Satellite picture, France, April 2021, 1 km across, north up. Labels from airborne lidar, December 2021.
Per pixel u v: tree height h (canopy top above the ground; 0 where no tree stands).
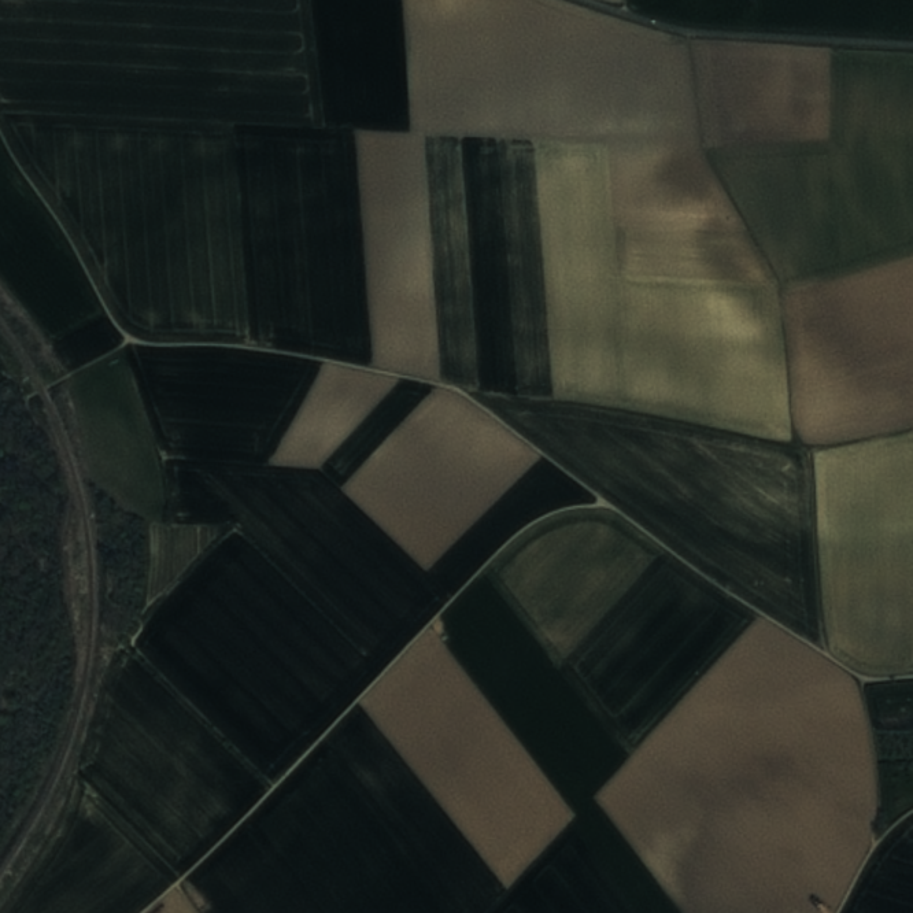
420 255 0
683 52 0
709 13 0
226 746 10
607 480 0
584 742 0
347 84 0
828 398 0
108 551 6
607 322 0
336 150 0
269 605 0
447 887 0
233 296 0
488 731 0
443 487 0
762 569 0
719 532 0
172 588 0
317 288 0
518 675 0
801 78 0
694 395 0
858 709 0
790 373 0
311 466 0
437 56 0
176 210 0
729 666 0
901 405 0
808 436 0
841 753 0
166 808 0
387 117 0
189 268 0
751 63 0
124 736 0
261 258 0
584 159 0
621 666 0
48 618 14
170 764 0
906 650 0
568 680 0
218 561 0
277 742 0
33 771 15
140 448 0
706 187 0
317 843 0
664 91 0
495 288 0
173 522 9
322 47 0
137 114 0
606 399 0
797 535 0
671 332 0
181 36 0
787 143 0
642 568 0
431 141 0
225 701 0
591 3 0
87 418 0
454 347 0
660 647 0
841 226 0
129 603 7
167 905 0
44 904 0
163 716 0
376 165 0
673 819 0
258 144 0
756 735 0
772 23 0
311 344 0
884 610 0
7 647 10
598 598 0
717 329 0
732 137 0
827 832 0
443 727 0
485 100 0
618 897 0
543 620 0
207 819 0
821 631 0
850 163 0
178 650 0
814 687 0
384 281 0
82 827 0
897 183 0
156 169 0
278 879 0
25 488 23
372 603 0
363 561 0
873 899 0
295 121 0
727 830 0
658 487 0
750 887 0
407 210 0
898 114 0
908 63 0
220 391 0
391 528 0
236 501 0
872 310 0
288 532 0
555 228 0
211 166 0
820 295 0
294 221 0
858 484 0
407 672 0
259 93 0
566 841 0
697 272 0
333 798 0
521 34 0
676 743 0
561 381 0
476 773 0
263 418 0
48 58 0
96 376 0
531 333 0
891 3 0
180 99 0
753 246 0
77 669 19
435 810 0
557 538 0
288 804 0
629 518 0
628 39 0
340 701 0
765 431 0
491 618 0
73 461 0
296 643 0
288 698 0
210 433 0
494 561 0
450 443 0
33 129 0
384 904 0
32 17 0
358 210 0
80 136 0
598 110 0
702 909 0
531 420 0
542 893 0
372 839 0
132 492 0
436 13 0
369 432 0
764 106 0
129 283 0
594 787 0
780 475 0
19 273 0
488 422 0
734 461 0
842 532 0
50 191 0
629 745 0
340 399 0
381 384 0
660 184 0
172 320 0
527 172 0
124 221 0
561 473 0
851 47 0
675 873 0
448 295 0
